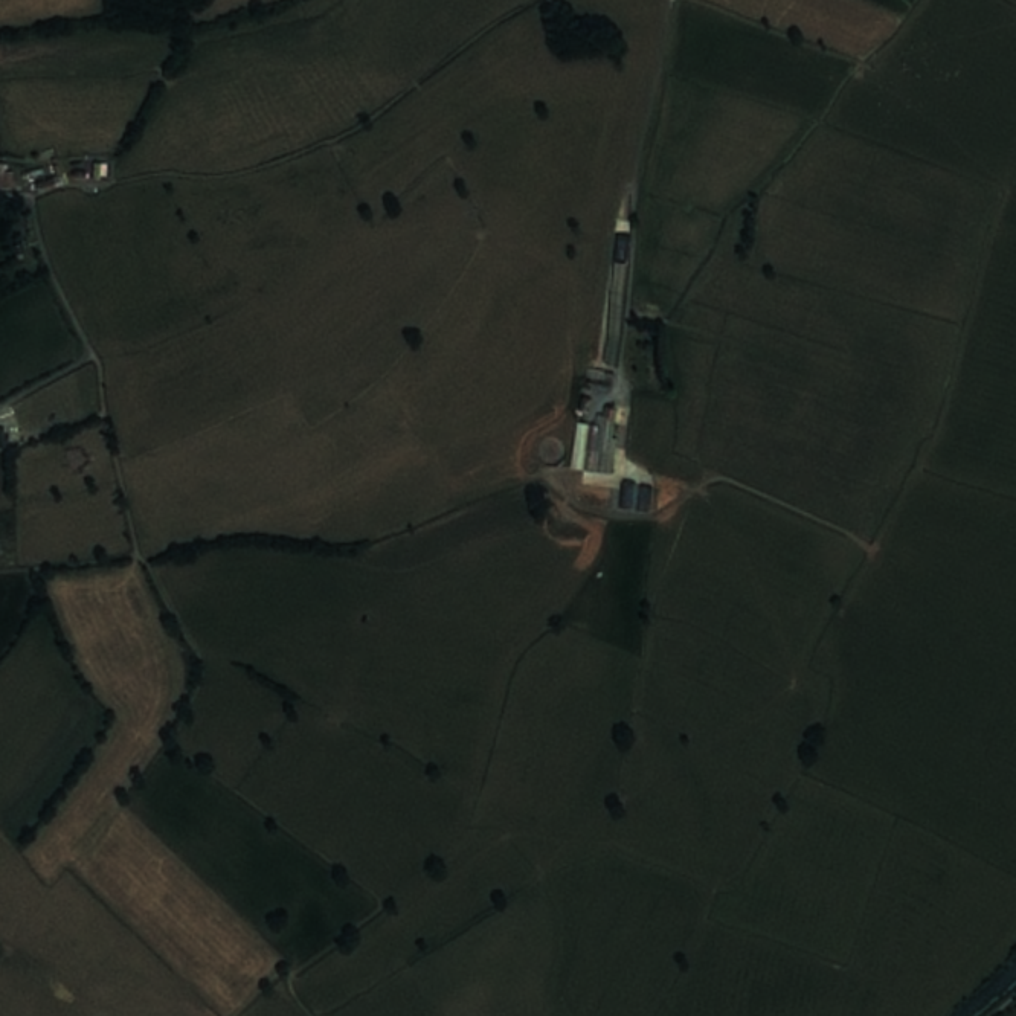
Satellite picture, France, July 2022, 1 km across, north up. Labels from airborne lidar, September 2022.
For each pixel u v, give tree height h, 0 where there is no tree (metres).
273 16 11
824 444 0
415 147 0
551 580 0
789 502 0
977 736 0
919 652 0
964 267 0
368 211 12
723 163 0
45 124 0
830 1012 0
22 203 25
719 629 0
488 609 0
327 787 0
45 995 0
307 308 0
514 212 0
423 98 0
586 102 0
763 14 0
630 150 0
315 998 0
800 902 0
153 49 0
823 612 0
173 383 0
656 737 0
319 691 0
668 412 0
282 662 0
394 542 0
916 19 0
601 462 0
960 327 0
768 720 0
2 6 0
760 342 0
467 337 0
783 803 13
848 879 0
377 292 0
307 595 0
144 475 0
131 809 0
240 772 0
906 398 0
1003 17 0
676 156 0
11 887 0
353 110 0
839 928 0
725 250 0
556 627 18
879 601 0
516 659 0
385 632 0
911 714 0
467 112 0
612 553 0
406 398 0
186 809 0
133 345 0
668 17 0
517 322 0
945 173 0
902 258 0
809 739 12
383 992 0
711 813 0
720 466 0
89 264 0
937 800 0
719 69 0
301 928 0
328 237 0
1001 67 0
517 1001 0
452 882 0
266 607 0
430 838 0
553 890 0
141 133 11
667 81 0
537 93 0
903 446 0
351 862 0
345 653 0
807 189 0
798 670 0
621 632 0
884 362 0
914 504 0
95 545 0
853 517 0
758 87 0
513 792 0
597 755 0
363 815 0
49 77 0
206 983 0
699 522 0
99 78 0
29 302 0
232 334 0
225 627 0
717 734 0
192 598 0
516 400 0
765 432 0
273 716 0
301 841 0
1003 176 0
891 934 0
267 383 0
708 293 0
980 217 0
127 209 0
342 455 0
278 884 0
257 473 0
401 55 0
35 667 0
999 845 0
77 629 0
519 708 0
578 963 0
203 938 0
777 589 0
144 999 0
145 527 0
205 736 0
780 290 0
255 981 0
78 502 0
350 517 0
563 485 0
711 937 0
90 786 0
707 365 0
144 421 0
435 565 0
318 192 0
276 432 0
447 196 0
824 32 0
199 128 0
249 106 0
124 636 0
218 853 0
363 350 0
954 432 0
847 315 0
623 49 22
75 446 0
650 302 0
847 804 0
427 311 0
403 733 0
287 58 0
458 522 0
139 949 0
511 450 0
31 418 0
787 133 0
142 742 0
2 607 0
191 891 0
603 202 0
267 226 0
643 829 0
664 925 0
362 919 0
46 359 0
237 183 0
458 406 0
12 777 0
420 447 0
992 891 0
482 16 0
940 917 0
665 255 0
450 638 0
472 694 0
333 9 0
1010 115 0
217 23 8
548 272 0
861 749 0
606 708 0
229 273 0
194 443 0
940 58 0
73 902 0
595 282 0
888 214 0
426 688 0
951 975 0
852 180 0
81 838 0
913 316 0
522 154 0
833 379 0
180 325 0
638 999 0
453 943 0
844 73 0
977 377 0
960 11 0
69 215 0
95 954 0
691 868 0
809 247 0
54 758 0
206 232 0
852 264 0
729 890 0
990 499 0
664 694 0
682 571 0
